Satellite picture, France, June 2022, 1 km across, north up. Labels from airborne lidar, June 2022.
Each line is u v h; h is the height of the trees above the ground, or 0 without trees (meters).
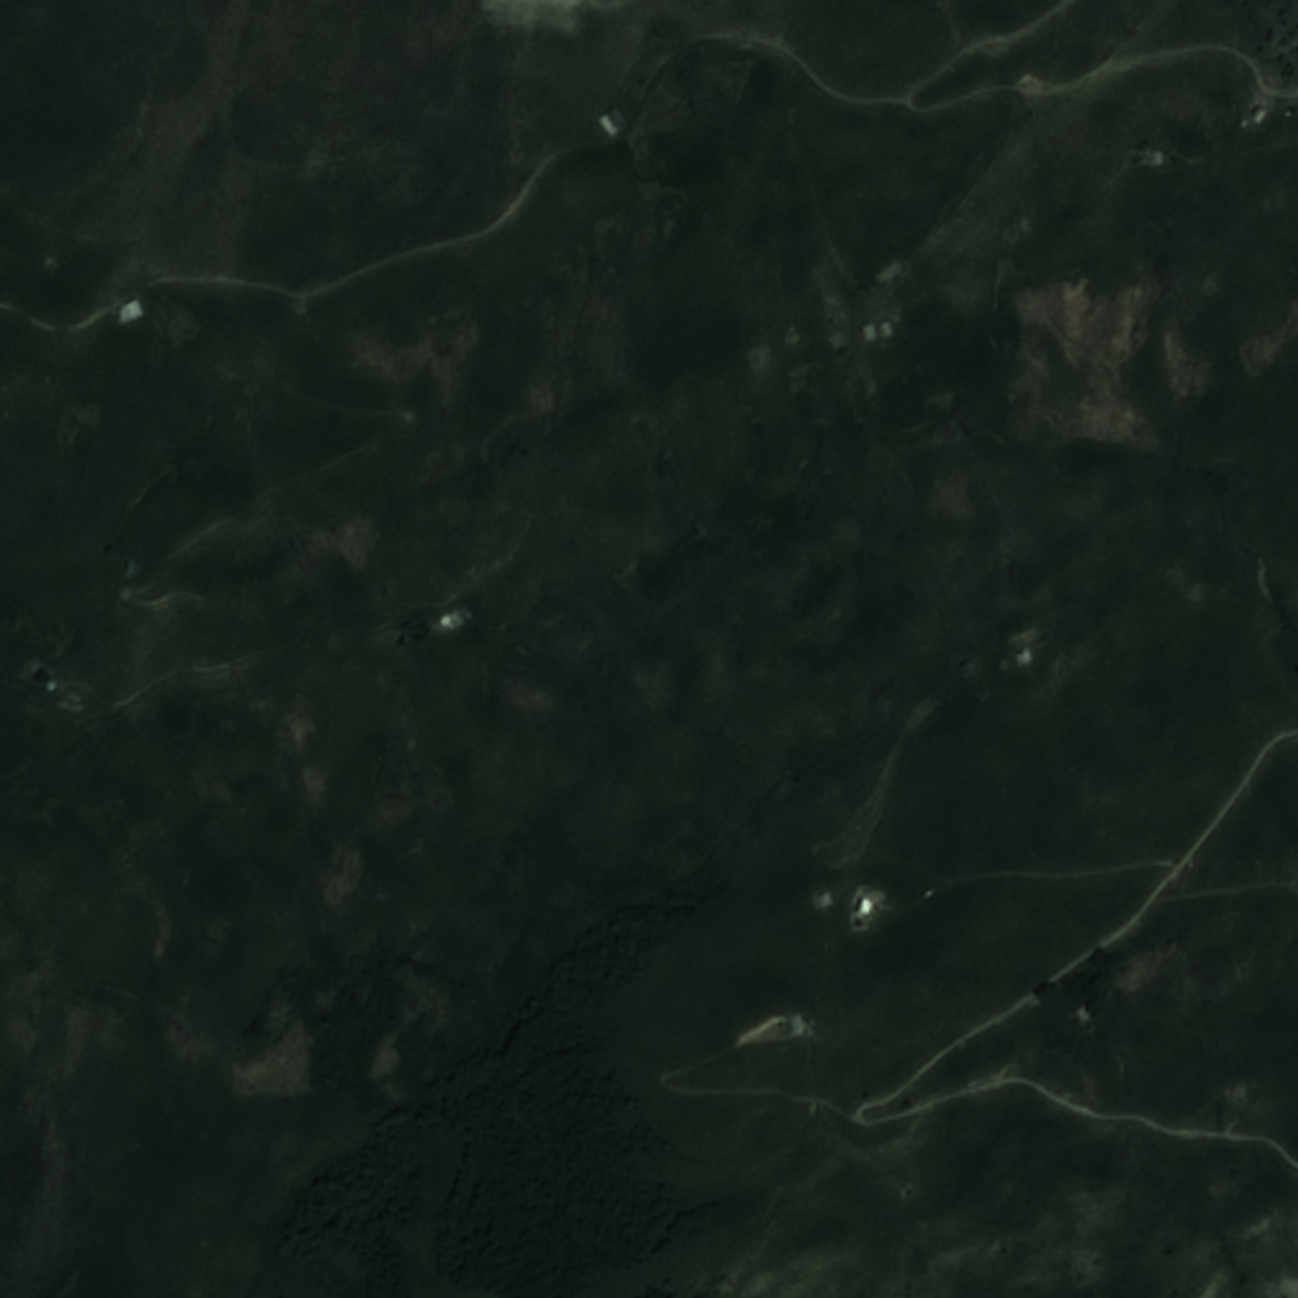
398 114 0
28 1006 0
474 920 0
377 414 0
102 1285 0
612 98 0
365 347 0
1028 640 0
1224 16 0
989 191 0
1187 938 0
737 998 0
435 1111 8
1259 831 0
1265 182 0
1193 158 0
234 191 0
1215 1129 0
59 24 0
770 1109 0
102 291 0
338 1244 7
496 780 0
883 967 0
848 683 0
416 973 7
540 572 0
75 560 0
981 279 0
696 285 0
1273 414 0
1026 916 0
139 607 0
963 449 0
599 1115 8
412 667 0
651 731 0
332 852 0
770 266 0
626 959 6
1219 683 0
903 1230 0
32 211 0
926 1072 0
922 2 0
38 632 0
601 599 0
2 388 0
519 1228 11
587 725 0
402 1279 7
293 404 0
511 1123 7
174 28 0
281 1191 0
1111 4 0
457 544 0
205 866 0
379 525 0
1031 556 0
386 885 0
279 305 0
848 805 0
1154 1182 0
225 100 0
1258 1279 0
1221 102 0
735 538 0
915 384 0
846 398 0
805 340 0
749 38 0
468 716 0
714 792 0
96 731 0
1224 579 0
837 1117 0
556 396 0
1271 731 0
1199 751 0
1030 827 0
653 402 0
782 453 0
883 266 0
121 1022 0
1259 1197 0
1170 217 0
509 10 0
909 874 0
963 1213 0
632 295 0
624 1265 7
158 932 0
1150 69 0
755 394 0
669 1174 0
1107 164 0
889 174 0
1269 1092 0
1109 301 0
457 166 0
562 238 0
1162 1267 0
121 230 0
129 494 0
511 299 0
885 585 0
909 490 0
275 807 0
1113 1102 0
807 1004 0
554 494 0
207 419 0
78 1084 0
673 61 0
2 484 0
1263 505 0
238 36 0
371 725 0
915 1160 0
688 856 0
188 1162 0
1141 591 0
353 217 0
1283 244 0
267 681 0
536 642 0
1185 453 0
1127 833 0
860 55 0
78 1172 0
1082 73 0
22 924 0
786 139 0
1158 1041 0
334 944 0
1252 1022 0
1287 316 0
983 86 0
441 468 0
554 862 0
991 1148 0
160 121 0
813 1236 0
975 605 0
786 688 0
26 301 0
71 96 0
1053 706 0
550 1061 10
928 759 0
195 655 0
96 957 0
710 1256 0
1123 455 0
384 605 0
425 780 0
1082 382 0
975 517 0
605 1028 0
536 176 0
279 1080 0
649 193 0
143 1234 0
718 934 0
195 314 0
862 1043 0
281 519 0
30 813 0
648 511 0
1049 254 0
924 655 0
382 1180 7
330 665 0
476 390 0
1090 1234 0
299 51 0
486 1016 0
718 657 0
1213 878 0
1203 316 0
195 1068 0
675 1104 0
